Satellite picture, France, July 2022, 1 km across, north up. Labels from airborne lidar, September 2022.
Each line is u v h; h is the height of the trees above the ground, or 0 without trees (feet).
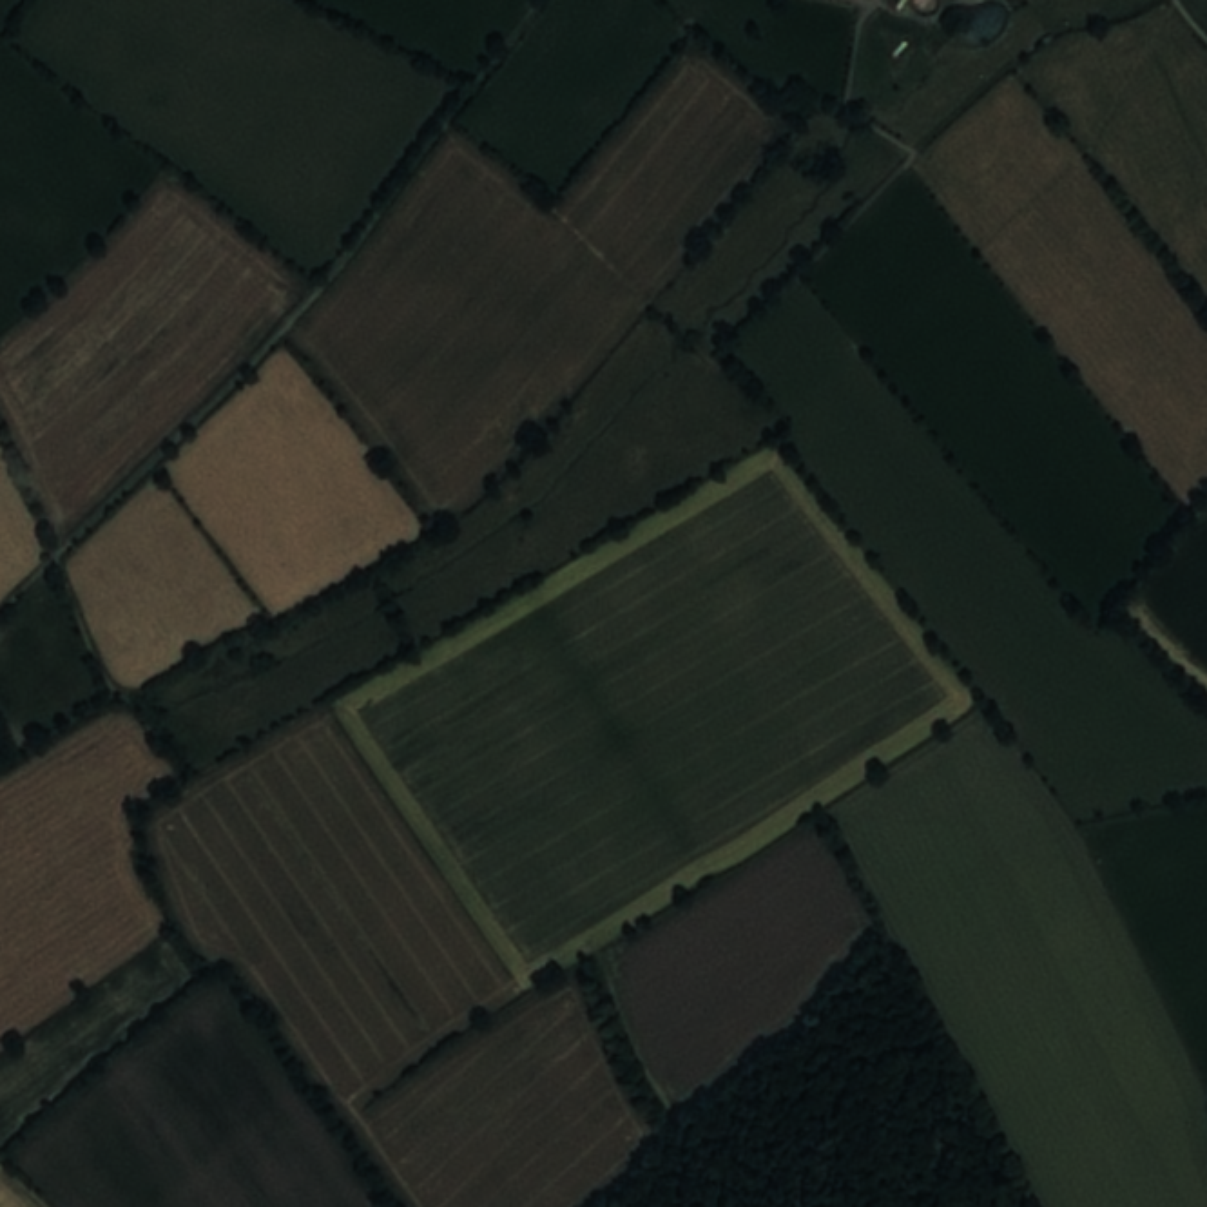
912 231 0
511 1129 0
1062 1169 0
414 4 0
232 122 0
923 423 25
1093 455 0
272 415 0
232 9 0
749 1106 54
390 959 0
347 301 0
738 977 0
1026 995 0
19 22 38
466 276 0
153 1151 0
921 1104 63
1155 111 0
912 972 64
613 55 0
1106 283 0
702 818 0
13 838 0
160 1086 0
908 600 50
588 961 44
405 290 0
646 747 0
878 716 0
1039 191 0
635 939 42
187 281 0
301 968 0
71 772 0
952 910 0
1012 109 0
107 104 0
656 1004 0
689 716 0
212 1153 0
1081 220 0
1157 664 49
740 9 0
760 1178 68
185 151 0
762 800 0
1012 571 0
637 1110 48
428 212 0
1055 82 0
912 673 0
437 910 0
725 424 0
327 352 0
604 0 0
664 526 0
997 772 0
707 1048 0
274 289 0
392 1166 0
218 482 0
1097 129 0
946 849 0
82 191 0
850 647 0
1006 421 0
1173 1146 0
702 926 0
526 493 0
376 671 18
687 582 0
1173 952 0
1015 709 0
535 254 0
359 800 0
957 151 0
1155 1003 0
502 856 0
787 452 42
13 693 0
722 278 0
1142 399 0
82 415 0
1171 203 0
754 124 0
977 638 0
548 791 0
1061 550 0
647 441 0
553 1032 0
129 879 0
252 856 0
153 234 0
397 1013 0
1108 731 0
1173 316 0
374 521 0
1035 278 0
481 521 0
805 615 0
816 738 0
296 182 0
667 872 0
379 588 32
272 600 0
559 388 0
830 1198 63
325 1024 0
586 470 0
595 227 0
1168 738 0
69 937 0
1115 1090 0
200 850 0
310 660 0
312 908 0
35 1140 0
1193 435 0
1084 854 0
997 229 0
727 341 75
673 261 0
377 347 0
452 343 0
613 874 0
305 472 0
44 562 25
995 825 0
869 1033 72
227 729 0
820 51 0
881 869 0
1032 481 0
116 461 0
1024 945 0
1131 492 0
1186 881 0
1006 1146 68
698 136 0
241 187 0
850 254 0
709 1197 66
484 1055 0
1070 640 0
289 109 0
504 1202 0
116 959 0
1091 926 0
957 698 0
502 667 0
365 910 0
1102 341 0
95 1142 0
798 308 0
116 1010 0
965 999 0
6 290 0
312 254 0
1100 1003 0
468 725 0
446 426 0
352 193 0
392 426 0
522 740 0
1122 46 0
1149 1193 0
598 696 0
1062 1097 0
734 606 0
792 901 0
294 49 0
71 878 0
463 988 0
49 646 0
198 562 0
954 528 0
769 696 0
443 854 0
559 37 0
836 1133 71
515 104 0
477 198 0
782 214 0
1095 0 0
